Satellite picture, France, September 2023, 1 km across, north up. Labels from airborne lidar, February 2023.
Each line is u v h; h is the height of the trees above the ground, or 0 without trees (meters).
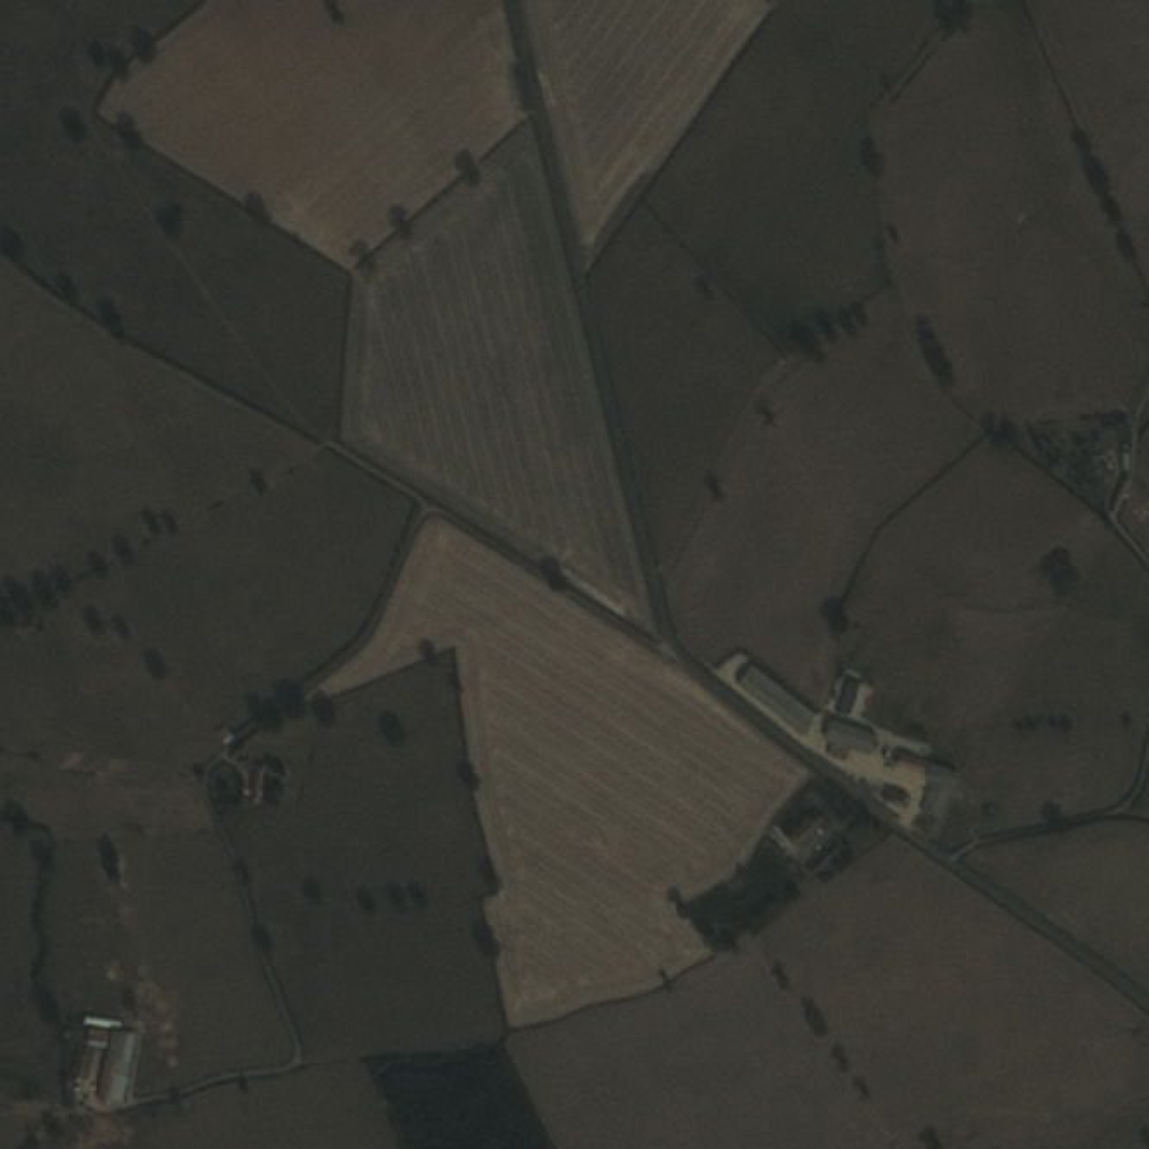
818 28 0
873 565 0
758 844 0
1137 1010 0
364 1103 0
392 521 0
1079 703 0
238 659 0
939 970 0
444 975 0
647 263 0
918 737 0
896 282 0
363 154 0
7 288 0
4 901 0
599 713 0
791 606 0
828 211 0
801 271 0
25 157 0
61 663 0
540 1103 0
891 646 0
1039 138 0
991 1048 0
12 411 0
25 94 0
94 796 0
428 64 0
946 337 0
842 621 14
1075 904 0
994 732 0
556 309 0
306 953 0
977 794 0
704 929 15
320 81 0
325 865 0
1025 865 0
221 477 0
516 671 0
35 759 0
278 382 0
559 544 0
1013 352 0
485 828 0
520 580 0
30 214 0
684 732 0
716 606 0
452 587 0
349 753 0
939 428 0
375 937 0
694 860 0
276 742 0
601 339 0
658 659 0
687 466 0
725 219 0
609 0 0
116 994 0
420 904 14
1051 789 0
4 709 0
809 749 0
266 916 0
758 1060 0
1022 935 0
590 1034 0
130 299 0
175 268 0
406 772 0
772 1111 0
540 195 0
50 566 0
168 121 0
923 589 0
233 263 0
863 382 0
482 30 0
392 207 0
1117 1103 0
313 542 0
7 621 14
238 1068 0
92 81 0
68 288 15
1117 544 0
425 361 0
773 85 0
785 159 0
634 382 0
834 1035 0
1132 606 0
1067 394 0
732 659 0
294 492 0
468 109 0
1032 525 0
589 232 0
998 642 0
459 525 0
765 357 0
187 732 0
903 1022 0
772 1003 0
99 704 0
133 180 0
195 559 0
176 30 0
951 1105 0
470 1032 0
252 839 0
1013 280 0
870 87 0
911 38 0
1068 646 0
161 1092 0
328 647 0
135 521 0
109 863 11
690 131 0
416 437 0
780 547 0
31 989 0
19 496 0
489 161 0
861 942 0
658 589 0
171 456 0
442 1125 13
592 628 0
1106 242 0
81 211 0
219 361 0
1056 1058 0
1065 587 17
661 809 0
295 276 0
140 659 0
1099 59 0
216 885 0
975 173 0
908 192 0
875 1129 0
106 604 0
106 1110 0
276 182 0
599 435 0
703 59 0
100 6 0
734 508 0
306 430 0
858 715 0
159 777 0
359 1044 0
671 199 0
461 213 0
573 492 0
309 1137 0
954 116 0
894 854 0
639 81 0
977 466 0
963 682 0
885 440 0
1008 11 0
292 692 17
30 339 0
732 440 0
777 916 0
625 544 0
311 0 0
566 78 0
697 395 0
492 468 0
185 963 0
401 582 0
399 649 0
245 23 0
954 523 0
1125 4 0
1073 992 0
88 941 0
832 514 0
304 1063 0
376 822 0
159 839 0
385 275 0
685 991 0
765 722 0
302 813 0
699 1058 0
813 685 0
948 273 0
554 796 0
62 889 0
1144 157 0
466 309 0
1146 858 0
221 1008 0
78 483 0
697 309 0
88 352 0
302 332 0
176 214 14
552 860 0
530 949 0
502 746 0
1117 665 0
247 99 0
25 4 0
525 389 0
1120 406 0
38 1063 0
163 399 0
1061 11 0
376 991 0
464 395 0
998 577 0
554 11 0
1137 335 0
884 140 0
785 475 0
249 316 0
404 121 0
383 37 0
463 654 0
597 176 0
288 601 0
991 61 0
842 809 9
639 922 0
